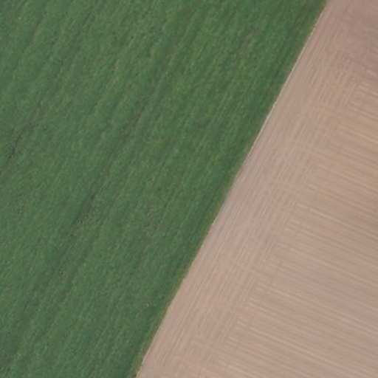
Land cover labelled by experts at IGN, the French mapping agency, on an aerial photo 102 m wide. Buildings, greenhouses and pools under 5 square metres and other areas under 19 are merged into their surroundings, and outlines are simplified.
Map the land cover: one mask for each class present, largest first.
<instances>
[{"label":"agricultural land","instance_id":"1","mask_svg":"<svg viewBox=\"0 0 378 378\"><path fill-rule=\"evenodd\" d=\"M0 378H378V0H0Z\"/></svg>","mask_w":378,"mask_h":378}]
</instances>
